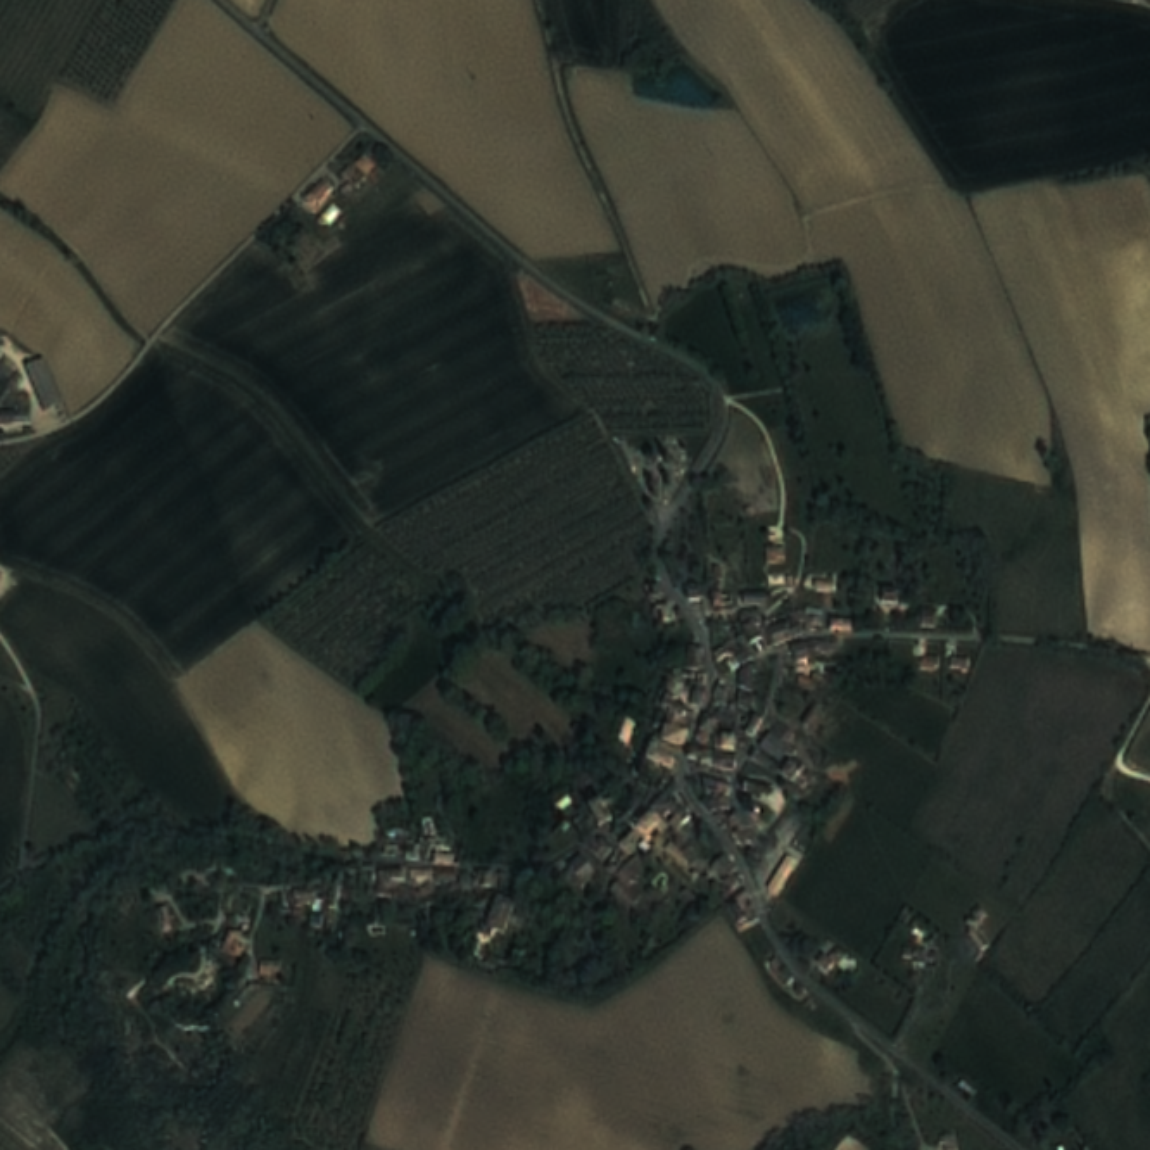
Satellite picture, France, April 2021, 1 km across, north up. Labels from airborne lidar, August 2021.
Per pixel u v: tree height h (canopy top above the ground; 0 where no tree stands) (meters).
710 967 0
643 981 0
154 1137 8
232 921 7
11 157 0
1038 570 0
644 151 0
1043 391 0
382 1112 0
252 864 10
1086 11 0
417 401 0
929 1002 0
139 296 0
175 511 0
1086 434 0
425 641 0
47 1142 0
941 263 0
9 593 0
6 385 5
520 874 10
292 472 0
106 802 7
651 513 9
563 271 0
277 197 0
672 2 0
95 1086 6
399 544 6
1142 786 0
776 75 0
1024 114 0
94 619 0
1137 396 0
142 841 16
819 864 0
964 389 0
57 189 0
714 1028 0
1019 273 0
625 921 10
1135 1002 0
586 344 5
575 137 0
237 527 0
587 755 20
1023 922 0
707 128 0
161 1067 7
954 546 9
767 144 0
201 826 11
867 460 0
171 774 0
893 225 0
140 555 0
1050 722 0
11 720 0
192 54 0
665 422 6
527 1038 0
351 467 0
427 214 0
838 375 0
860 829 0
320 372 0
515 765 13
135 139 0
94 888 13
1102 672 0
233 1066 9
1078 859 0
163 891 9
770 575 0
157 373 0
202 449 0
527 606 6
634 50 10
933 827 0
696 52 0
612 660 0
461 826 9
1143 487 0
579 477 7
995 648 12
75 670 0
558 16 0
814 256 0
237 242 0
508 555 6
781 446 0
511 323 0
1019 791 0
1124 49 0
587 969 17
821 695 8
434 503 7
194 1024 12
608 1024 0
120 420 0
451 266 0
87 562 0
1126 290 0
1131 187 0
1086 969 0
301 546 0
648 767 9
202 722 0
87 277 0
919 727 0
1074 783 0
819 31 0
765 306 7
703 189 0
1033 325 0
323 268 0
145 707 0
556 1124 0
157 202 0
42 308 0
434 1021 0
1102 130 0
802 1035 0
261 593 0
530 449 6
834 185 0
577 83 0
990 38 0
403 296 0
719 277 10
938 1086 0
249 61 0
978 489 0
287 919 8
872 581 9
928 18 0
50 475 0
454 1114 0
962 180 0
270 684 0
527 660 18
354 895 12
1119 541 0
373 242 0
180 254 0
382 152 10
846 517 18
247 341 0
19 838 0
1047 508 0
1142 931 0
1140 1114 0
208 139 0
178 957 11
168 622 0
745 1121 0
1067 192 0
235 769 0
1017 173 0
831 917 0
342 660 6
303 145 0
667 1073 0
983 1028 0
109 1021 8
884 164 0
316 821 0
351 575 6
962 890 0
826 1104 0
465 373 0
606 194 0
